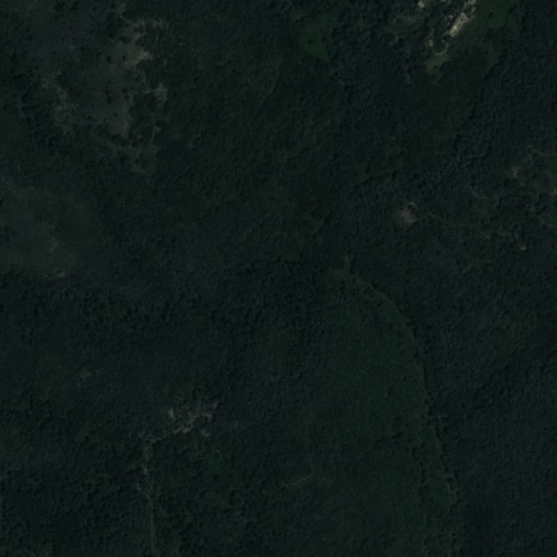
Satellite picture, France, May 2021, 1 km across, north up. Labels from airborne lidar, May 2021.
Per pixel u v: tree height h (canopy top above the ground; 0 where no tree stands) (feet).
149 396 33
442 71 33
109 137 21
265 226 43
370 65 65
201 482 66
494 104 47
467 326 40
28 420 76
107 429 39
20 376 28
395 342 40
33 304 75
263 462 31
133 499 56
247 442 33
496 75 81
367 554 51
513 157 47
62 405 22
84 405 50
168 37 36
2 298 74
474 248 23
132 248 52
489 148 20
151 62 25
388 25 34
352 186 86
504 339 56
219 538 52
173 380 31
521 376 67
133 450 49
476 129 63
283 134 40
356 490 24
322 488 21
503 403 62
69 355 28
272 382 20
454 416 71
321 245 74
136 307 70
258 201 31
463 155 32
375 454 49
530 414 33
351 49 67
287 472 35
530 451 27
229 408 54
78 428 64
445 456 74
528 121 35
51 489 75
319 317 44
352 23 60
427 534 48
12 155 21
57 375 37
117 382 47
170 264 54
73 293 69
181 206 43
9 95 50
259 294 33
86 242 22
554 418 22
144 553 42
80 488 39
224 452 38
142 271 77
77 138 28
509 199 43
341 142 90
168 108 42
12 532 37
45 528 83
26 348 54
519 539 49
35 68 27
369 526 49
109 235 64
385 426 73
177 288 64
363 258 69
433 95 37
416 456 73
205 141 33
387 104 61
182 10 35
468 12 21
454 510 56
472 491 62
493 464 44
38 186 29
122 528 50
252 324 52
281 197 56
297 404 39
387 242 52
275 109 54
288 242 83
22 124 73
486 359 32
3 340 34
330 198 105
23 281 57
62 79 43
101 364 35
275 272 46
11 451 28
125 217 36
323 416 21
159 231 44
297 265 76
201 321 72
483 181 39
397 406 47
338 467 45
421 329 82
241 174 50
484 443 51
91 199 56
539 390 30
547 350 84
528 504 34
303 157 68
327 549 52
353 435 60
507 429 33
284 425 33
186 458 72
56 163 58
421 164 99
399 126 66
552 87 46
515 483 52
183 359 48
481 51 61
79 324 50
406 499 39
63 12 57
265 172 48
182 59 46
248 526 83
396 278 57
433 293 54
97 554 53
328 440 43
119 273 59
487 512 77
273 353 30
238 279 64
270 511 52
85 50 50
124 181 24
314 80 62
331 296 55
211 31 29
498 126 38
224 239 41
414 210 33
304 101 46
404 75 37
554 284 57
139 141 29
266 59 46
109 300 35
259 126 45
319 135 27
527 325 31
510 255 57
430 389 63
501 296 27
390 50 51
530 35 45
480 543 86
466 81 48
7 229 41
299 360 40
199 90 59
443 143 65
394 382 43
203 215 44
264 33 70
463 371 41
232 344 53
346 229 62
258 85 54
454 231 31
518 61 45
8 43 60
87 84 28
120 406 44
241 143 59
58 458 22
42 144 75
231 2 43
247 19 39
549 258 44
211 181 31
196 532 39
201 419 33
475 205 45
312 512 22
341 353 34
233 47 51
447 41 53
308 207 63
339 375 28
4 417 62
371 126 52
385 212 31
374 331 36
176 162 29
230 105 48
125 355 37
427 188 39
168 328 64
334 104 48
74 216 18
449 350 35
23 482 81
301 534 26
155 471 30
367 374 32
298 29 49
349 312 33
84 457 36
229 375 43
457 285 51
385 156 48
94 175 77
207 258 47
